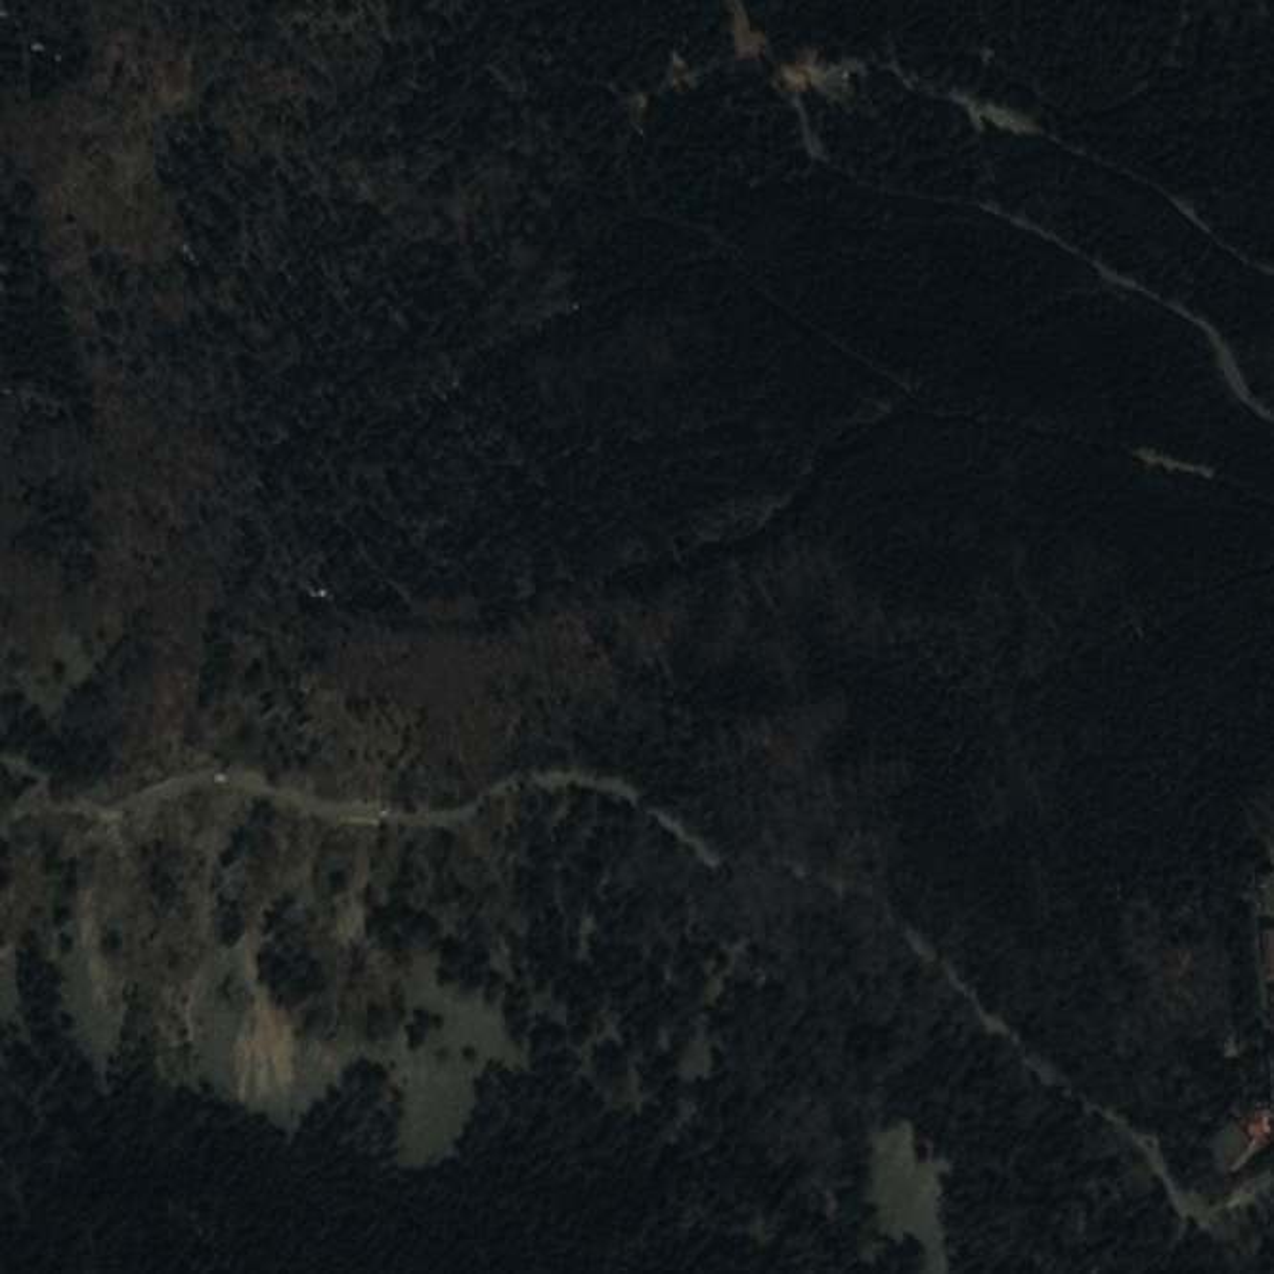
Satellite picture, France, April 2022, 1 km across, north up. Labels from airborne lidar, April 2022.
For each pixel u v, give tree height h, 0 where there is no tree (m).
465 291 19
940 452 22
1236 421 20
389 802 9
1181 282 26
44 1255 27
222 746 18
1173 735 20
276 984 10
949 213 22
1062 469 18
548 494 18
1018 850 22
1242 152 23
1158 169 27
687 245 17
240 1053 0
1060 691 22
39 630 18
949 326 12
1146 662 22
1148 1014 22
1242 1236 22
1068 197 22
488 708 19
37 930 15
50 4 10
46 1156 32
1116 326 15
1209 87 25
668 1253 31
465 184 17
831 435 10
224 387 18
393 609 9
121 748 10
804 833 20
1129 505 21
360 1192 29
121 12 7
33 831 15
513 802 22
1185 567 21
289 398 28
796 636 19
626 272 15
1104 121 24
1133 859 21
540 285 8
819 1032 22
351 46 21
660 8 24
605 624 19
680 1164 26
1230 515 18
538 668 17
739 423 9
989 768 20
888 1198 0
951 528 19
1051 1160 22
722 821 17
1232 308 21
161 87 18
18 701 18
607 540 29
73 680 0
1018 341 12
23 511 9
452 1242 26
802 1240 26
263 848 15
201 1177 23
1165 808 21
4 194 8
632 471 24
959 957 19
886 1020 19
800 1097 30
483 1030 0
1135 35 22
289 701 6
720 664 16
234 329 29
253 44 23
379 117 21
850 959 22
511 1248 25
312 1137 21
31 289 8
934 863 17
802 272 17
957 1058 30
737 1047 20
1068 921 21
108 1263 22
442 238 11
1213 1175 11
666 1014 9
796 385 20
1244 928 23
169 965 15
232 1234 31
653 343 14
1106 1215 26
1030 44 21
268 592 15
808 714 19
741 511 23
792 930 27
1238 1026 25
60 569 13
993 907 19
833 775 17
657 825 16
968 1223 30
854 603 18
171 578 12
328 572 9
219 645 9
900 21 21
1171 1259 16
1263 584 23
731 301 17
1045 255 17
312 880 8
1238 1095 9
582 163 14
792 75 0
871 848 19
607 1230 29
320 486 17
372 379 11
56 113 11
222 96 30
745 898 23
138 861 9
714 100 17
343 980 20
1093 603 20
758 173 34
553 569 23
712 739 16
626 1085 7
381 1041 12
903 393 6
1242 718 22
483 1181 24
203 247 17
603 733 22
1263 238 23
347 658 12
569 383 18
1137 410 18
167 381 19
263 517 14
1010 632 18
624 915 21
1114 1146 23
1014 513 19
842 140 28
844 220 19
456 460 17
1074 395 22
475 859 17
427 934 22
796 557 21
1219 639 22
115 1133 24
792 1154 25
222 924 9
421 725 9
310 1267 26
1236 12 25
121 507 11
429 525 14
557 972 25
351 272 8
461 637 21
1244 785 26
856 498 22
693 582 20
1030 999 16
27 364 11
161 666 15
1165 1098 16
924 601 18
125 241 13
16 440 8
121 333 10
